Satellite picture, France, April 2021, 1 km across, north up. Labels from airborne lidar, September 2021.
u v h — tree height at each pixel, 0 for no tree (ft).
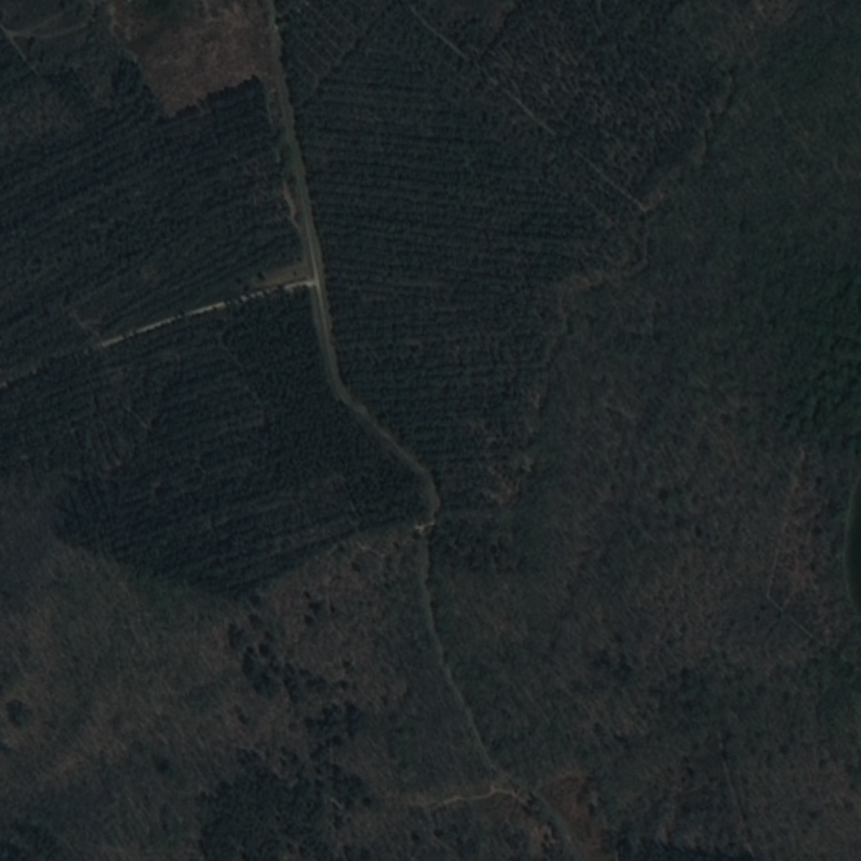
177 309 30
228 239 20
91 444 43
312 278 0
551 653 37
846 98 74
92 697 49
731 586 27
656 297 52
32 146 22
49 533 62
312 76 41
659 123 35
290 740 25
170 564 46
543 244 58
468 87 41
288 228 33
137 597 38
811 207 59
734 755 45
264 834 57
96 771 72
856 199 47
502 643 52
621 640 38
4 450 59
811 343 61
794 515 33
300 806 73
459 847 43
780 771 32
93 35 27
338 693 34
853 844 36
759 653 26
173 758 57
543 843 0
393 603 41
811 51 58
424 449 55
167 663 35
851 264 73
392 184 55
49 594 57
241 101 53
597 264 69
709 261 51
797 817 27
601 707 63
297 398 70
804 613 24
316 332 49
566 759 71
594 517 38
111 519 55
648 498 33
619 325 46
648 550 49
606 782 76
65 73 35
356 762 33
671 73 65
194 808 33
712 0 40
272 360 65
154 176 23
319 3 48
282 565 34
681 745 64
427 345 55
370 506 60
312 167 37
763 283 69
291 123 0
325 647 27
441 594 74
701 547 27
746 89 64
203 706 46
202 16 45
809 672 35
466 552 87
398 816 42
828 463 41
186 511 65
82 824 58
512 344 63
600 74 42
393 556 32
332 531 30
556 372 54
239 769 55
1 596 58
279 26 44
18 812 80
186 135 32
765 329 61
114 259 19
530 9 37
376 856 49
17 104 31
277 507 41
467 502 61
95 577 39
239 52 0
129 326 31
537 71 45
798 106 66
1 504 79
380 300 42
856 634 40
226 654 32
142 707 52
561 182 49
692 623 32
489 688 71
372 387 60
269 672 39
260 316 52
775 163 69
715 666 41
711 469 54
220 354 32
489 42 25
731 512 41
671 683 31
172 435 45
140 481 38
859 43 72
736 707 44
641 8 59
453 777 72
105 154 34
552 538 70
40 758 58
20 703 54
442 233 56
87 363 39
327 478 68
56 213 34
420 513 60
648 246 31
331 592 18
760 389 27
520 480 57
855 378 52
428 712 66
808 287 67
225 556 43
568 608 49
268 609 43
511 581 69
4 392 36
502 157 51
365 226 58
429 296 38
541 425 64
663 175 58
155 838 44
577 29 48
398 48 40
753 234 64
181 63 0
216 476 45
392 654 58
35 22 0
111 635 45
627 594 63
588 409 49
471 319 52
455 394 58
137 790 66
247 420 35
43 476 59
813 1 28
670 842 37
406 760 67
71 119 28
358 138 51
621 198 48
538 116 41
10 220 31
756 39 33
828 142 68
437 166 57
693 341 48
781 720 34
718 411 45
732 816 19
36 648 52
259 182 30
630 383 52
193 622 21
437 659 65
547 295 60
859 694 66
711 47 55
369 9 47
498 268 52
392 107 43
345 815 34
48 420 53
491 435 53
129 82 57
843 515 60
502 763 71
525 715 81
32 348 58
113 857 49
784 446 37
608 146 44
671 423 55
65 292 32
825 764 37
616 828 47
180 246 27
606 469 45
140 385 37
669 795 36
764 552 37
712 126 54
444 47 53
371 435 76
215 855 76
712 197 63
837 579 49
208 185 37
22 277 23
